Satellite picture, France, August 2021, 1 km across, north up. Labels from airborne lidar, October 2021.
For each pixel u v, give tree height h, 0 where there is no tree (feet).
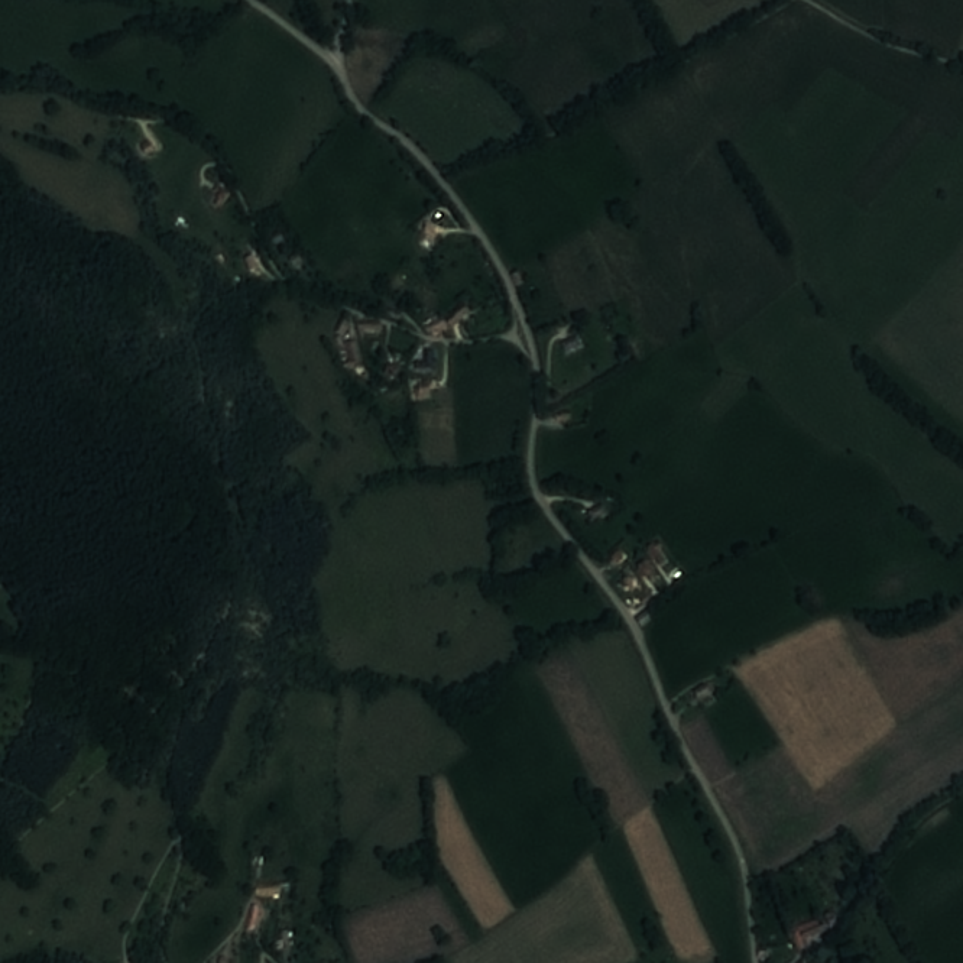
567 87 0
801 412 0
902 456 0
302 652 24
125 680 56
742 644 0
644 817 0
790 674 0
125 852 22
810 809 0
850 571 0
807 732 0
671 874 0
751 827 0
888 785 0
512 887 0
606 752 0
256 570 29
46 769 63
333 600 0
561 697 0
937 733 0
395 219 0
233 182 45
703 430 0
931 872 0
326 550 59
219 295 26
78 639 49
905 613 59
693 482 0
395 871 49
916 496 0
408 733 0
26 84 22
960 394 0
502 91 46
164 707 37
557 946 0
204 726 43
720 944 0
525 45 0
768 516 0
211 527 97
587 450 0
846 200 0
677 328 0
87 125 0
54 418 87
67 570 88
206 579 60
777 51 0
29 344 93
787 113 0
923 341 0
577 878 0
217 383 27
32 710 42
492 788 0
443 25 0
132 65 0
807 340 0
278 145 0
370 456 0
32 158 0
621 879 0
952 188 0
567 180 0
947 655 0
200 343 23
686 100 0
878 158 0
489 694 65
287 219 28
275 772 0
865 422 0
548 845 0
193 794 59
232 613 23
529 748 0
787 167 0
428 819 36
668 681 0
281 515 70
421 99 0
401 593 0
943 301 0
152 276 36
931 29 0
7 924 0
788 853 0
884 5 0
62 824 0
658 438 0
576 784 32
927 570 0
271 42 0
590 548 35
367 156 0
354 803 0
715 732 0
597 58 0
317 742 0
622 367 33
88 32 0
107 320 51
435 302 0
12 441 92
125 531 92
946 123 0
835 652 0
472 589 0
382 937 0
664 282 0
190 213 0
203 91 0
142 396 49
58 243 58
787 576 0
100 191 0
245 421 37
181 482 98
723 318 0
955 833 0
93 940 0
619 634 0
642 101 0
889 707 0
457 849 0
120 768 25
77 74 0
